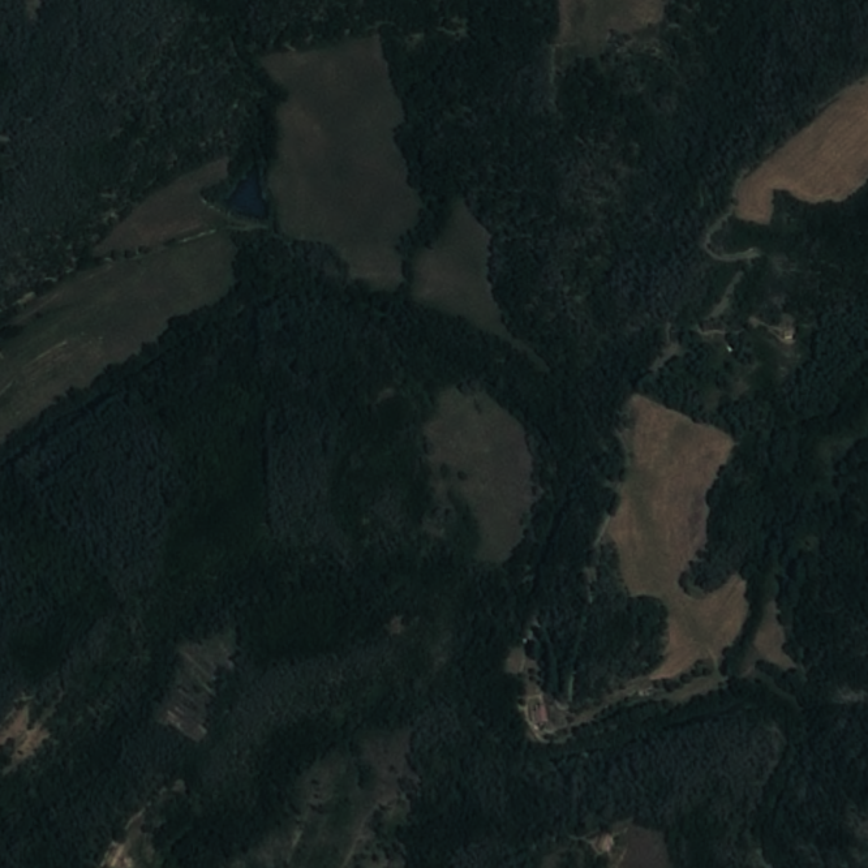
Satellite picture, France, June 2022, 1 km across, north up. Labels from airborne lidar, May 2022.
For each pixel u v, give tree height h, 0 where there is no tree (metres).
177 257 0
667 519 0
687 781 20
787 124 12
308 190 0
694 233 9
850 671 10
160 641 11
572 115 7
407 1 14
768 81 19
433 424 0
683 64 10
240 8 15
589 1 0
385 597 14
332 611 15
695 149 9
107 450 17
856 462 15
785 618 15
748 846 9
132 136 15
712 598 0
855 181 0
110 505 23
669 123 19
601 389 13
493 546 0
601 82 17
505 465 0
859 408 21
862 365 17
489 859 23
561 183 15
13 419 0
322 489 12
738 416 24
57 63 14
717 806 19
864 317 26
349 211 0
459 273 0
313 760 22
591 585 8
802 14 15
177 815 11
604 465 19
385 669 8
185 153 8
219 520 9
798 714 15
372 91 0
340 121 0
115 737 24
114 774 15
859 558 15
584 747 16
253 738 16
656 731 19
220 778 17
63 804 19
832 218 8
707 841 11
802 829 14
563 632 13
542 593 19
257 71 20
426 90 19
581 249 15
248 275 20
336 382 21
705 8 15
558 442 16
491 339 18
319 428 25
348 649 9
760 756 21
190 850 24
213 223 0
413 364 12
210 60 13
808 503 26
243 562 14
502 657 20
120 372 17
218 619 24
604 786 12
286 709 6
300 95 0
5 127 10
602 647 16
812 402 28
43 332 0
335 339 38
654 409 0
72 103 19
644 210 11
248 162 16
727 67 11
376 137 0
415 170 21
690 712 13
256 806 10
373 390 8
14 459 15
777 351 0
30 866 15
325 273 19
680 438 0
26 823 24
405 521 14
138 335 0
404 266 12
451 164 22
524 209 15
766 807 16
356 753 9
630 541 0
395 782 0
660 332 12
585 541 9
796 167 0
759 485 8
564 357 16
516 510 0
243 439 19
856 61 11
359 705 11
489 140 9
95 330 0
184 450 18
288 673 17
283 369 29
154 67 10
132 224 0
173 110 19
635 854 0
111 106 16
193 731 0
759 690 21
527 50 16
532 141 12
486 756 10
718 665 0
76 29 17
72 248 7
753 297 13
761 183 0
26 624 20
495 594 15
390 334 19
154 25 18
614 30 8
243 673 16
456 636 7
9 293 17
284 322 29
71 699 10
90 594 12
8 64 19
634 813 11
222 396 16
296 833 0
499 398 13
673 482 0
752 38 10
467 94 14
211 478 15
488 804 11
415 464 10
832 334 25
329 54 0
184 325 24
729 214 7
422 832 20
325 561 18
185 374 11
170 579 8
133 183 15
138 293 0
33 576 18
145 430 20
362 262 0
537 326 19
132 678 11
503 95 18
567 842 15
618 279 20
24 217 9
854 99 0
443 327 15
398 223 0
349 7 12
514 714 24
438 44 13
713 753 25
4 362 0
